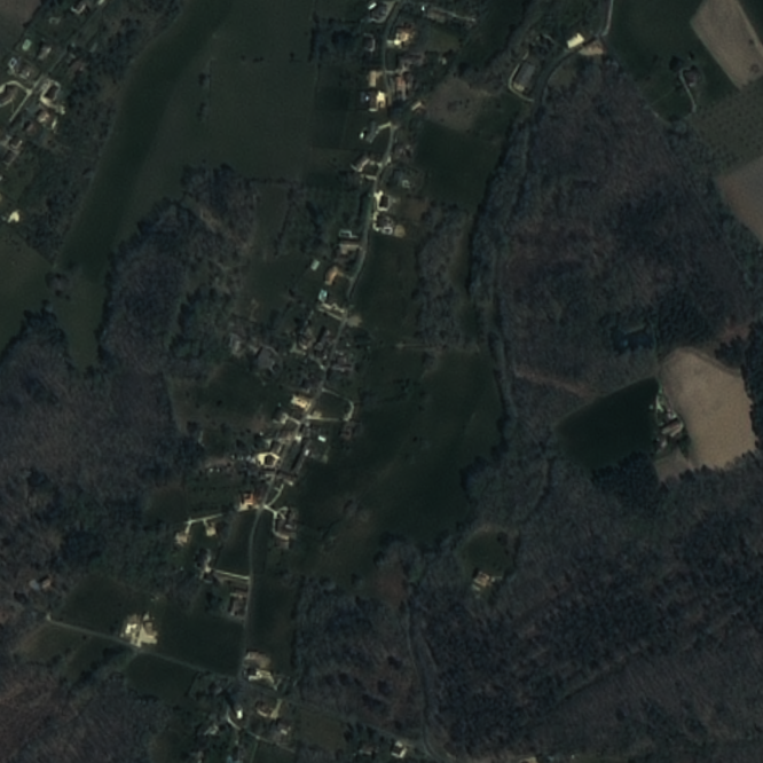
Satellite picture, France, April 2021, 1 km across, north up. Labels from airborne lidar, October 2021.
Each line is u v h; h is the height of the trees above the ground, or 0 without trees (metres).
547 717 20
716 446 0
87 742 13
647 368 22
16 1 0
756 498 10
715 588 22
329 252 18
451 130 0
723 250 14
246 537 0
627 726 20
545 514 16
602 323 14
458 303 26
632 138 16
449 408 0
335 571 0
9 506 16
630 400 0
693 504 19
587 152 14
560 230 15
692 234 16
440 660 22
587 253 19
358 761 7
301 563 0
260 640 0
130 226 0
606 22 0
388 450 0
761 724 14
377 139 0
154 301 22
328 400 0
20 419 18
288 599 0
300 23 0
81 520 23
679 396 0
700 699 19
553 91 11
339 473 0
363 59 7
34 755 18
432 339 15
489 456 0
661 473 0
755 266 20
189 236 16
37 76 0
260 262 0
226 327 17
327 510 0
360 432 16
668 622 24
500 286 17
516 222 19
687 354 0
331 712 14
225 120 0
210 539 0
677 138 21
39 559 12
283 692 7
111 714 20
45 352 20
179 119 0
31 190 10
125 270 27
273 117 0
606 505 19
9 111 0
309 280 0
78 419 16
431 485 0
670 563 13
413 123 11
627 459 0
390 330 0
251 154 0
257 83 0
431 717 16
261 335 14
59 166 6
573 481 18
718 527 20
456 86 0
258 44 0
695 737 26
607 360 15
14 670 14
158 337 16
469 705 21
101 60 12
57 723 14
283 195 0
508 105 0
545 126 17
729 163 12
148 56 0
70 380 15
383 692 17
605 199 18
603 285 17
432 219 17
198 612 0
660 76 0
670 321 15
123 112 0
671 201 16
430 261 21
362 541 0
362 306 0
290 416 0
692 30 0
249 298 0
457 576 26
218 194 19
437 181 0
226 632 0
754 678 17
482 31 0
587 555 20
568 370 16
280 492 0
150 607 0
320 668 17
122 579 16
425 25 13
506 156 18
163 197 0
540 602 10
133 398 13
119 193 0
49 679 10
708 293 16
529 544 16
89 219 0
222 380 0
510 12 0
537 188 18
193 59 0
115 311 17
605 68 11
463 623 23
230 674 0
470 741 19
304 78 0
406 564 19
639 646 22
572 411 18
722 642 7
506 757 14
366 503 0
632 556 19
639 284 22
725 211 23
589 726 11
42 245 9
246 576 0
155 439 16
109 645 0
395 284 0
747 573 15
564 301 24
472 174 0
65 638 0
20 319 0
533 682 16
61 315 0
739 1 0
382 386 0
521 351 18
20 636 20
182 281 21
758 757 15
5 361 15
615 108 18
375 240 0
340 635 26
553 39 10
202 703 11
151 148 0
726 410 0
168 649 0
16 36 0
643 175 14
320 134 0
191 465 22
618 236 16
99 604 0
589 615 12
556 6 14
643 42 0
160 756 0
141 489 13
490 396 0
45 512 10
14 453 15
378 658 17
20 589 10
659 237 14
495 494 21
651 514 19
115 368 29
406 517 0
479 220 14
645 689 20
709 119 8
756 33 0
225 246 21
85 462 18
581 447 0
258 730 14
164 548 10
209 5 0
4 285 0
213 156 0
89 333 0
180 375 22
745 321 14
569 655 17
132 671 0
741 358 22
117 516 16
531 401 20
